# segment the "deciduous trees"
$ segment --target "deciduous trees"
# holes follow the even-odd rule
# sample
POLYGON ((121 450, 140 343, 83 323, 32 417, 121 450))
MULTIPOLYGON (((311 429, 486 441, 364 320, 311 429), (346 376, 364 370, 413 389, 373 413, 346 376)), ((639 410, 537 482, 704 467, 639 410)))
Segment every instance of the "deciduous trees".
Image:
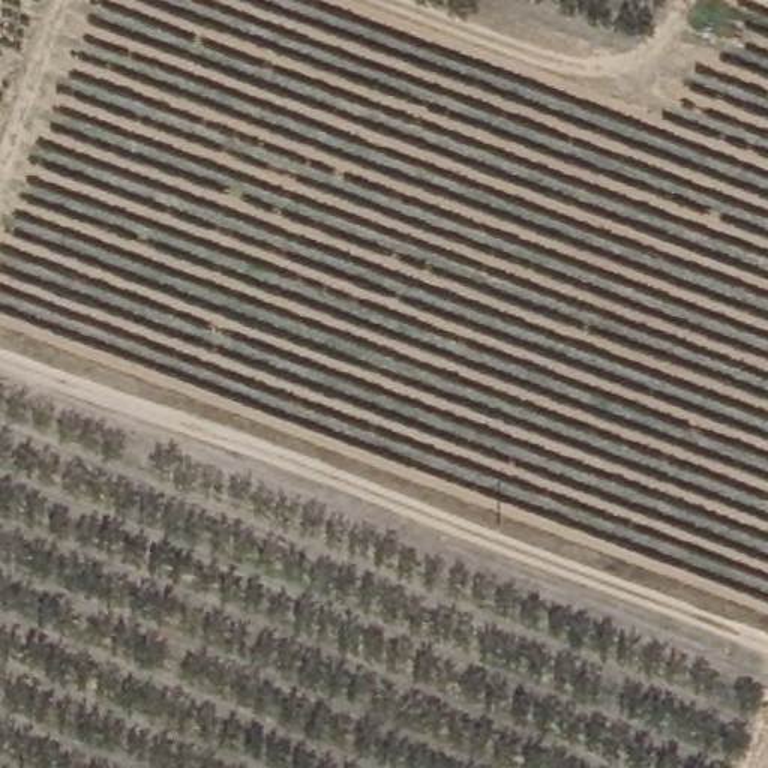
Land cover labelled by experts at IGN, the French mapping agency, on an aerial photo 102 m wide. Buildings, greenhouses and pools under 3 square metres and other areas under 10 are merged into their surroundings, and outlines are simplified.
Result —
POLYGON ((21 588, 18 582, 0 576, 0 606, 21 612, 24 618, 54 624, 57 630, 69 627, 75 612, 69 606, 60 606, 57 594, 21 588))
POLYGON ((555 0, 561 3, 561 12, 585 15, 591 24, 615 27, 627 36, 648 36, 666 0, 555 0))
POLYGON ((0 54, 6 48, 21 48, 24 42, 30 18, 21 12, 21 0, 0 0, 0 54))
POLYGON ((132 708, 144 717, 165 717, 162 732, 147 735, 141 729, 123 726, 117 717, 99 717, 84 702, 54 699, 54 693, 36 690, 33 684, 24 684, 21 678, 0 669, 0 690, 6 690, 6 705, 12 711, 36 717, 45 726, 72 732, 93 747, 132 753, 135 759, 150 762, 156 768, 735 768, 750 744, 753 714, 762 705, 762 687, 753 678, 723 681, 720 672, 714 672, 705 660, 687 663, 687 654, 675 651, 675 645, 666 642, 645 645, 633 633, 615 630, 612 618, 588 618, 588 612, 573 612, 567 606, 549 603, 540 594, 522 594, 513 582, 501 582, 495 573, 468 573, 468 567, 453 552, 444 552, 441 558, 420 555, 411 546, 396 543, 393 531, 378 534, 369 525, 330 519, 324 516, 324 504, 318 501, 288 501, 282 492, 252 486, 243 477, 222 474, 204 462, 192 462, 177 450, 177 444, 159 444, 153 435, 132 429, 111 429, 102 420, 81 417, 75 411, 60 414, 54 411, 48 396, 30 396, 27 387, 18 384, 0 384, 0 561, 27 567, 90 597, 132 606, 147 618, 180 615, 180 630, 186 636, 201 636, 201 648, 183 657, 180 678, 204 678, 210 681, 213 693, 231 687, 234 699, 246 708, 279 717, 270 732, 264 732, 258 723, 240 723, 237 717, 216 717, 213 705, 192 702, 177 687, 144 684, 120 675, 114 666, 96 663, 87 654, 66 654, 63 648, 48 642, 45 633, 30 630, 27 639, 18 639, 15 633, 0 627, 0 657, 21 654, 24 663, 42 666, 60 684, 84 687, 87 681, 96 681, 99 696, 123 708, 132 708))
POLYGON ((111 768, 108 762, 81 762, 81 750, 66 753, 57 741, 36 738, 21 732, 18 726, 0 723, 0 768, 111 768))
POLYGON ((435 3, 459 18, 471 18, 477 12, 477 0, 420 0, 435 3))
POLYGON ((165 642, 135 627, 126 627, 120 618, 93 615, 87 624, 90 633, 96 639, 111 639, 114 654, 132 657, 138 666, 147 669, 162 666, 168 648, 165 642))

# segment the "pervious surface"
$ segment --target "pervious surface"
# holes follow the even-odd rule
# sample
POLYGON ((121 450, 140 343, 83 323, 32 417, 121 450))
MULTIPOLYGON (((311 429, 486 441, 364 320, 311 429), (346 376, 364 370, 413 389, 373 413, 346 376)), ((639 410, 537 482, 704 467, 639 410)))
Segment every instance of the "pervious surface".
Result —
POLYGON ((390 24, 420 39, 447 45, 453 51, 480 57, 486 63, 537 78, 573 96, 639 117, 657 129, 729 153, 750 165, 756 165, 753 150, 741 150, 720 138, 669 123, 663 111, 675 111, 681 99, 687 99, 693 105, 714 108, 744 123, 768 129, 768 117, 750 114, 723 99, 708 99, 690 90, 696 66, 711 66, 720 54, 681 39, 681 30, 690 24, 687 15, 696 6, 696 0, 666 0, 648 36, 627 36, 615 27, 591 24, 585 15, 561 12, 561 3, 555 0, 477 0, 477 12, 471 18, 459 18, 435 3, 420 0, 327 0, 372 21, 390 24))
POLYGON ((84 39, 90 27, 87 0, 21 0, 21 12, 30 18, 24 42, 21 48, 6 48, 0 54, 0 240, 6 234, 3 216, 15 213, 21 195, 27 192, 30 147, 39 138, 48 138, 51 111, 57 105, 171 144, 177 150, 213 159, 219 165, 276 183, 291 192, 300 192, 303 186, 294 177, 255 168, 228 153, 192 144, 186 138, 159 132, 153 126, 126 120, 105 108, 57 93, 60 78, 72 72, 72 51, 111 60, 111 51, 93 48, 84 39))
POLYGON ((441 558, 444 552, 453 552, 468 567, 468 573, 495 573, 501 582, 513 582, 522 594, 540 594, 549 603, 567 606, 573 612, 588 612, 588 618, 612 618, 615 630, 633 633, 645 645, 666 642, 675 645, 675 651, 687 654, 687 663, 705 660, 714 672, 720 672, 723 681, 753 678, 762 687, 762 705, 753 714, 750 744, 735 768, 768 768, 768 603, 0 312, 0 384, 18 384, 27 387, 30 396, 48 396, 54 411, 60 414, 75 411, 81 417, 102 420, 111 429, 132 429, 153 435, 159 444, 177 444, 177 450, 192 462, 204 462, 222 474, 243 477, 252 486, 282 492, 288 501, 318 501, 324 504, 324 516, 330 519, 369 525, 378 534, 393 531, 396 543, 411 546, 420 555, 441 558))

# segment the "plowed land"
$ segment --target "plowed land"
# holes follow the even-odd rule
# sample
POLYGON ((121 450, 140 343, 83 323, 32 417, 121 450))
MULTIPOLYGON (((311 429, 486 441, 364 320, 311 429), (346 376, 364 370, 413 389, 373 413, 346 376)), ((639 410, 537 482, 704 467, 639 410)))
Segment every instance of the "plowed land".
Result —
POLYGON ((54 699, 84 702, 99 717, 117 717, 123 726, 141 729, 147 735, 162 732, 165 717, 144 717, 132 708, 123 708, 99 696, 96 681, 87 681, 84 687, 60 684, 42 666, 24 663, 21 654, 0 657, 0 669, 21 678, 24 684, 33 684, 36 690, 54 693, 54 699))
POLYGON ((132 753, 93 747, 72 732, 45 726, 36 717, 12 711, 6 705, 6 690, 0 690, 0 723, 18 726, 21 732, 36 738, 57 741, 66 753, 81 750, 81 762, 108 762, 111 768, 156 768, 150 762, 135 759, 132 753))
POLYGON ((234 699, 231 687, 213 693, 210 681, 204 678, 180 678, 183 657, 201 648, 201 636, 186 636, 180 630, 180 615, 147 618, 132 606, 90 597, 27 567, 0 561, 0 576, 18 582, 21 588, 57 594, 60 606, 69 606, 75 612, 69 627, 57 630, 54 624, 24 618, 21 612, 0 606, 0 627, 15 633, 18 639, 27 639, 30 630, 45 633, 48 642, 63 648, 66 654, 87 654, 96 663, 114 666, 120 675, 144 684, 177 687, 192 702, 213 705, 216 717, 237 717, 240 723, 258 723, 264 732, 270 732, 279 717, 246 708, 234 699), (147 669, 138 666, 132 657, 114 654, 111 639, 96 639, 90 633, 87 624, 93 615, 120 618, 126 627, 135 627, 165 642, 168 648, 162 666, 147 669))

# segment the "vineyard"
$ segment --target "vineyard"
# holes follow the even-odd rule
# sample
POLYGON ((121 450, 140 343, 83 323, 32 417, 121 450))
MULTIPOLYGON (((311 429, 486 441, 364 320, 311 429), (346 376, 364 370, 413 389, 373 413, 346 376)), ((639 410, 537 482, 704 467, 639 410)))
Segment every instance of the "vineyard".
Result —
POLYGON ((93 48, 111 51, 111 60, 72 51, 72 72, 60 78, 57 93, 105 108, 126 120, 153 126, 159 132, 186 138, 192 144, 228 153, 255 168, 294 177, 303 186, 300 192, 291 192, 276 183, 219 165, 213 159, 177 150, 171 144, 57 105, 51 111, 48 138, 39 138, 30 147, 27 192, 21 195, 15 213, 3 216, 6 234, 0 240, 0 312, 768 603, 768 129, 744 123, 714 108, 693 105, 687 99, 681 99, 675 111, 663 111, 669 123, 720 138, 741 150, 753 150, 756 165, 750 165, 729 153, 657 129, 639 117, 573 96, 537 78, 486 63, 480 57, 453 51, 447 45, 420 39, 390 24, 372 21, 327 0, 87 0, 90 27, 84 39, 93 48))
POLYGON ((720 54, 711 66, 696 66, 690 90, 708 99, 723 99, 750 114, 768 117, 768 0, 726 0, 738 9, 732 36, 717 36, 711 30, 696 30, 690 24, 681 30, 681 39, 720 54))

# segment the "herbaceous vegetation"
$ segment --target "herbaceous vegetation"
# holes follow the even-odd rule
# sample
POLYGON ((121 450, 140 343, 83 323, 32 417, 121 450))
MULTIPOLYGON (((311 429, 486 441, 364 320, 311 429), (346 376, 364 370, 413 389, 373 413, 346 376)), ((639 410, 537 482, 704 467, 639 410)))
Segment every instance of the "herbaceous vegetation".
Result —
POLYGON ((690 24, 696 30, 711 30, 717 36, 732 36, 738 9, 726 0, 696 0, 696 6, 687 15, 690 24))

